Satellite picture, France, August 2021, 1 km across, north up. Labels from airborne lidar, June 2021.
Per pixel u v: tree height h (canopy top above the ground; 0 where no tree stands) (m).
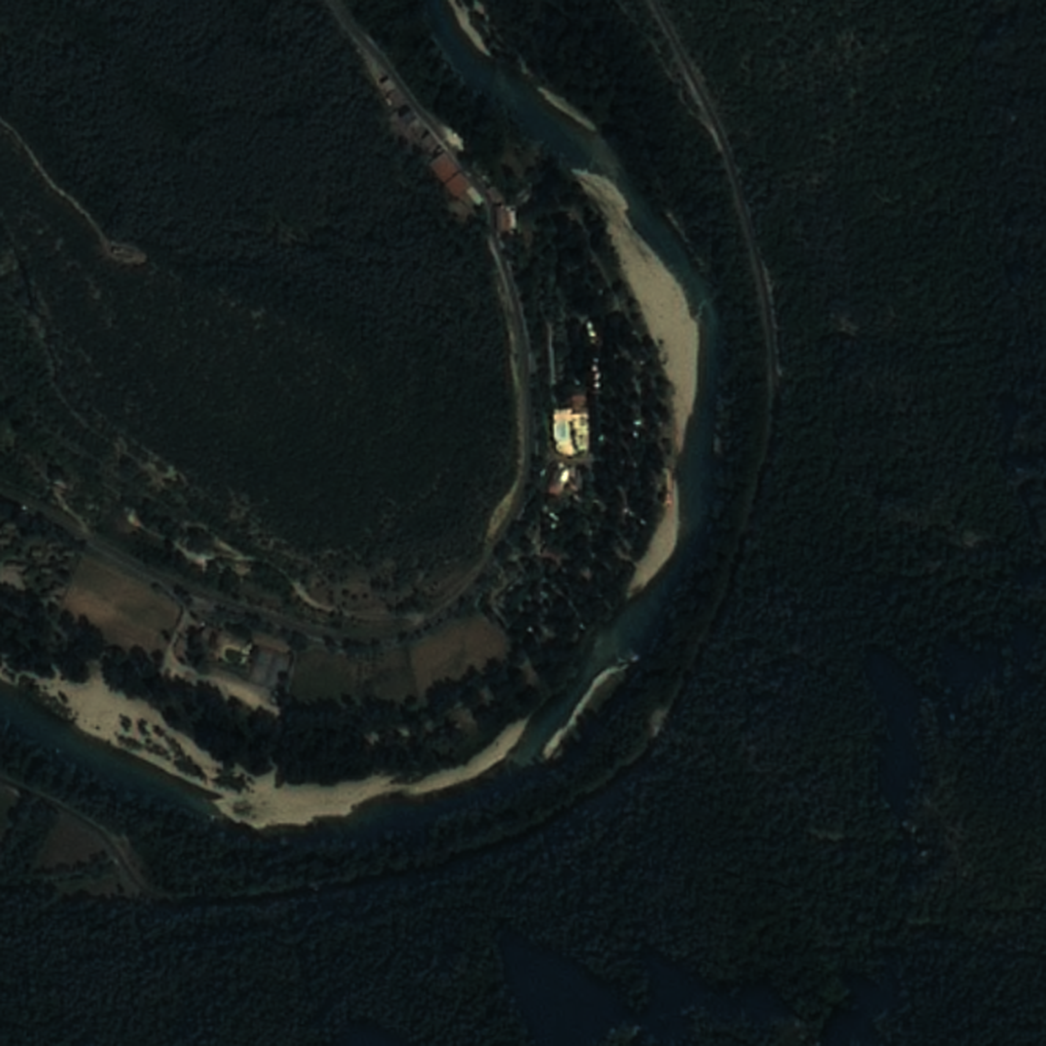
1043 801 10
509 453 7
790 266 8
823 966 21
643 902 15
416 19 20
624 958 17
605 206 0
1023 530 12
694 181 8
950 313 7
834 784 8
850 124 7
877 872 8
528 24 9
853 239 6
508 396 9
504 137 22
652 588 0
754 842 21
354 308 12
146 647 0
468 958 18
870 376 6
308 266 8
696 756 13
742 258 5
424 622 0
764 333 10
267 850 14
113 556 0
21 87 13
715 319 0
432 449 10
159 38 16
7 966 7
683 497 0
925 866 7
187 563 13
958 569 11
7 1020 9
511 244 12
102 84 18
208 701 21
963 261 9
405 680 0
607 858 12
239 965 9
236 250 11
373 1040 10
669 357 0
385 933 8
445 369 7
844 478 8
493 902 15
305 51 17
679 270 0
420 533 9
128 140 16
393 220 16
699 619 18
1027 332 7
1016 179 9
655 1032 18
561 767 12
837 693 9
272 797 0
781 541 8
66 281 6
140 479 6
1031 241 6
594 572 17
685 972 12
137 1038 15
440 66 23
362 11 12
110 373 6
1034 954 7
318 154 19
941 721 12
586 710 0
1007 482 12
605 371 16
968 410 8
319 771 31
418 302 15
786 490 8
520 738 0
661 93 13
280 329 6
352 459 9
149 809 13
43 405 7
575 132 0
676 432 0
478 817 25
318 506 8
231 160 17
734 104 6
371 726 21
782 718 6
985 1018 11
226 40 17
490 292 17
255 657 8
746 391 20
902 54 7
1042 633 16
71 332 9
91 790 12
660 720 0
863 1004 14
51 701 0
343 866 18
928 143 7
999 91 10
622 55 19
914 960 13
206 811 0
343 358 6
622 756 12
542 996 12
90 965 12
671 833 11
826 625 9
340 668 0
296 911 12
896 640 13
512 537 10
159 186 14
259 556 10
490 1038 19
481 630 0
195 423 6
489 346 14
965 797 8
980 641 13
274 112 14
